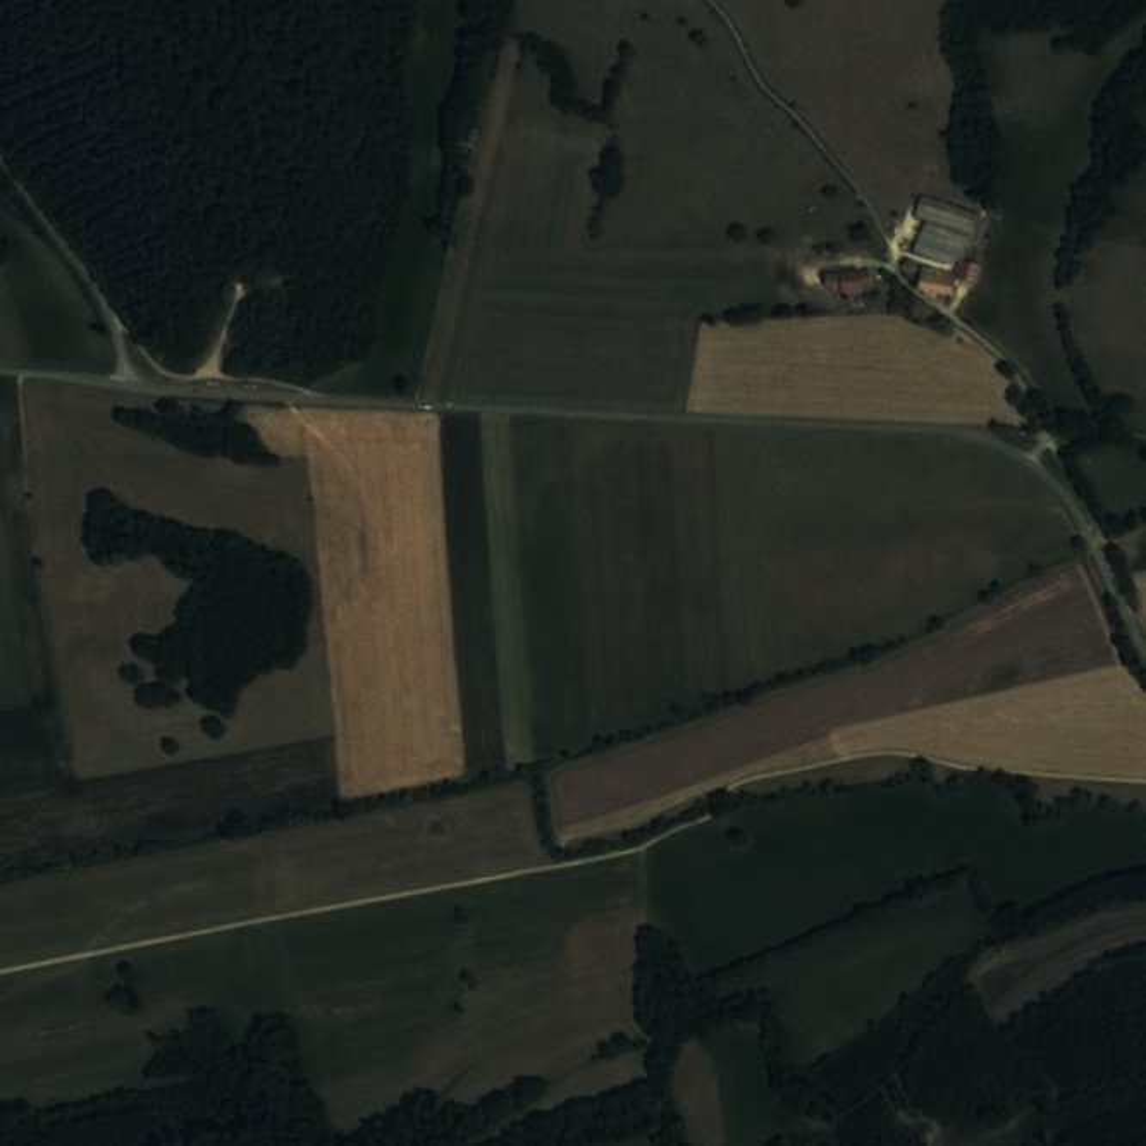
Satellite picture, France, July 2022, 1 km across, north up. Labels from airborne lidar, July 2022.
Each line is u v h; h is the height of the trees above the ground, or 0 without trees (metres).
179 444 20
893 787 10
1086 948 0
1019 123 0
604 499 0
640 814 0
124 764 0
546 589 0
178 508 0
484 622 0
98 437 0
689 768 0
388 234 14
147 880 0
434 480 0
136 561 6
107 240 17
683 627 0
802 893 0
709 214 0
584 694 0
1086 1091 9
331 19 20
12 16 21
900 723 0
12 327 0
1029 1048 12
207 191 17
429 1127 23
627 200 0
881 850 0
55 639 0
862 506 0
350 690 0
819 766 0
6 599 0
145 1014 0
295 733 0
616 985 0
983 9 20
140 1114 10
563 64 12
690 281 0
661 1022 20
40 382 0
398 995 0
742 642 0
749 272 0
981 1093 10
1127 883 18
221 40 22
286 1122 18
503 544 0
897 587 0
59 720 0
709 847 0
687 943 0
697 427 0
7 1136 17
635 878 0
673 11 0
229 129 22
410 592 0
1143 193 0
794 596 0
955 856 0
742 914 0
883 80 0
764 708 0
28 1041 0
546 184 0
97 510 18
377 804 7
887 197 0
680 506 0
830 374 0
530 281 0
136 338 13
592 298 0
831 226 0
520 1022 0
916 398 0
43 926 0
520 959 0
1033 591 0
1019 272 0
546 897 0
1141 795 0
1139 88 20
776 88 0
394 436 0
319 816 7
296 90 21
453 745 0
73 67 25
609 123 7
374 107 16
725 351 0
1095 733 0
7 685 0
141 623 0
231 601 24
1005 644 0
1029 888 0
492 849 0
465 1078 0
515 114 0
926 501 0
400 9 24
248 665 22
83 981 0
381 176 18
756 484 0
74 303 0
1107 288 0
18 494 0
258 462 11
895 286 12
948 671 0
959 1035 13
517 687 0
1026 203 0
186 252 16
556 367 0
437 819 0
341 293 19
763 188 0
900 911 16
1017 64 0
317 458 0
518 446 0
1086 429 23
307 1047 0
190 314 15
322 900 0
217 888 0
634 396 0
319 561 0
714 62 0
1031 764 0
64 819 0
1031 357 0
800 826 0
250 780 0
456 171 19
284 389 0
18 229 0
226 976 0
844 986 0
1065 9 20
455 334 0
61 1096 0
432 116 0
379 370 0
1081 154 0
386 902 0
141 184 23
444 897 0
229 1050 9
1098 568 0
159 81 20
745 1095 0
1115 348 0
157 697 14
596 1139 20
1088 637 0
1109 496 0
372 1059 0
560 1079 0
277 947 0
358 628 0
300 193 19
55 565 0
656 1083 13
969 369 0
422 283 0
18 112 18
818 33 0
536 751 0
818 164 0
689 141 0
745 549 0
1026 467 0
